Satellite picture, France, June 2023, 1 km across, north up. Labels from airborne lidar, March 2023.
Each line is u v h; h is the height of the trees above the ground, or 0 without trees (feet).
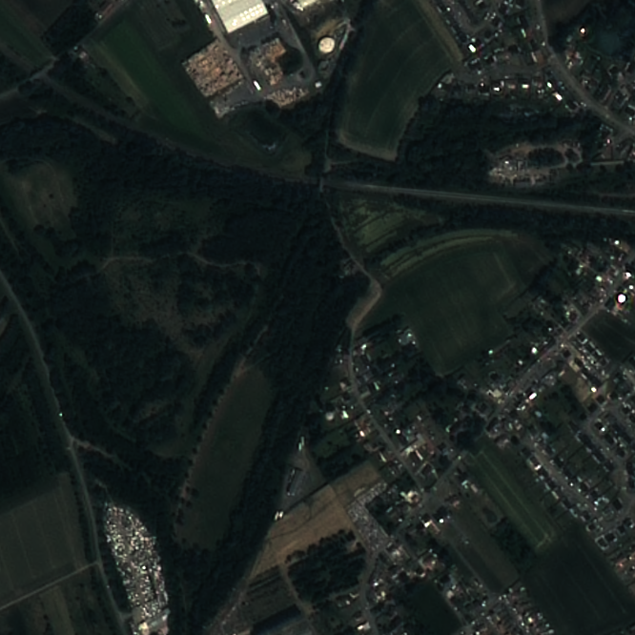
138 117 0
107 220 22
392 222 0
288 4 0
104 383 46
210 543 0
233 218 64
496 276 0
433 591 0
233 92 0
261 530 50
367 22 0
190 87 0
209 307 28
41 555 0
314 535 0
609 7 81
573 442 0
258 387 0
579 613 0
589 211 0
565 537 0
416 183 48
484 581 0
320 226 45
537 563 0
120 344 51
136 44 0
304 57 0
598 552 0
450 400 0
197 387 0
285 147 0
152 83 0
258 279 50
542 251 0
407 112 0
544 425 33
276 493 44
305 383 61
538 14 0
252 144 0
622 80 0
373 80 0
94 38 0
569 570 0
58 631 0
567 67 0
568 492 0
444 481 0
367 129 0
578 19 30
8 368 23
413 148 56
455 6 0
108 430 33
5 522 0
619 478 0
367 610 0
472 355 0
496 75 0
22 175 0
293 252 40
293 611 62
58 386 55
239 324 0
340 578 23
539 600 0
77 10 32
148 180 64
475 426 52
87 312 62
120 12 0
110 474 46
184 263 26
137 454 52
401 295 0
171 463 53
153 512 39
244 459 0
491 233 0
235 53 0
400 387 49
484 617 0
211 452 0
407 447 0
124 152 21
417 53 0
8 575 0
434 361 0
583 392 0
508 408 0
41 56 0
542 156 56
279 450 56
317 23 0
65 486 0
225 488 0
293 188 32
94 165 42
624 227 35
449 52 0
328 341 70
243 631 0
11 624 0
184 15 0
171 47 0
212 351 0
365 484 0
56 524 0
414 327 0
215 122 0
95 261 0
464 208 32
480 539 0
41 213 0
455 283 0
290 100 0
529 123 32
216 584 62
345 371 0
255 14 0
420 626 40
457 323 0
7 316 0
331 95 31
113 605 0
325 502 0
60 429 0
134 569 0
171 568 19
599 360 22
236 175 58
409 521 0
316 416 35
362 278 39
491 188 26
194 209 0
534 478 0
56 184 0
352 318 0
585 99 0
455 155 19
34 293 37
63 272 45
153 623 0
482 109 40
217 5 0
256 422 0
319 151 23
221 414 0
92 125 0
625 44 29
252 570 0
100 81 0
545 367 0
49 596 0
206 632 0
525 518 0
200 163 41
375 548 0
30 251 31
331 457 18
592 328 0
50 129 60
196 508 0
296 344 76
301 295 68
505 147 0
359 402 0
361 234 0
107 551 22
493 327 0
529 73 0
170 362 50
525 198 0
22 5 0
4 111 0
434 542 64
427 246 0
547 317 0
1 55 29
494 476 0
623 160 0
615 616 0
